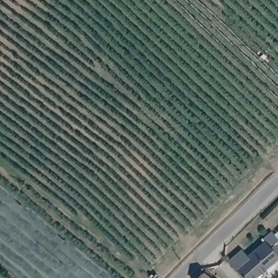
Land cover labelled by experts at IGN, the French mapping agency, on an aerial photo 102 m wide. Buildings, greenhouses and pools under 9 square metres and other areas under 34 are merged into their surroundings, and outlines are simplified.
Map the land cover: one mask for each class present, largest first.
<instances>
[{"label":"deciduous trees","instance_id":"1","mask_svg":"<svg viewBox=\"0 0 278 278\"><path fill-rule=\"evenodd\" d=\"M0 4L35 29L54 47L67 54L94 78L110 87L132 108L141 110L140 106L110 81L78 60L75 55L65 50L3 0H0ZM45 25L51 33L62 39L65 45L83 56L90 64H93L92 60L74 43L16 0H10ZM41 14L51 18L81 47L87 49L106 72L159 117L225 182H228V179L147 101H143L139 93L117 76L100 56L85 46L83 41L58 18L43 11L30 0H24ZM84 35L94 48L108 58L144 93V96L156 104L157 108L184 129L220 167L230 165L231 160L215 146L214 139L235 155L245 169L248 168L245 161L251 155L241 148L236 140L240 139L255 155H258V152L239 135L240 131H243L264 153L268 146L278 148V0H116L241 118V121L237 122L109 0H38ZM0 14L146 127L192 174L215 193L216 197L219 198L220 194L197 170L170 148L153 128L125 108L109 92L79 72L63 56L47 47L0 10ZM0 25L136 129L182 175H185L210 203L213 204L214 201L210 194L157 146L146 132L0 20ZM0 35L62 81L94 109L121 127L202 206L207 208V205L197 192H194L134 132L119 123L86 94L78 91L0 29ZM0 46L111 129L177 190L201 216L203 212L172 179L125 136L119 134L104 119L94 114L86 105L76 100L72 94L39 72L37 67L0 40ZM0 55L115 143L191 217L197 219V216L141 164L124 144L106 134L90 118L63 100L58 93L40 83L0 50ZM0 65L117 155L119 160L156 193L157 197L185 220L188 227L191 222L108 142L0 61ZM0 76L10 81L29 100L39 104L40 108L104 155L181 231L186 228L109 153L0 71ZM0 86L75 142L92 156L93 160L110 170L113 176L147 206L174 235H178L161 214L143 200L113 168L0 80ZM0 97L3 98L5 101H8L11 105H13L15 109L20 110L24 115L28 116L31 119V121L38 124L40 127L49 132V134L52 137H55L56 135L46 125H43L40 121H38V119L35 116L28 113L24 108H22V106L16 104L8 96H5L4 93L0 91ZM0 106L35 131L40 138L52 144L67 159L85 169L156 239L160 236L98 175L94 174L93 170L78 162L75 157L0 101ZM0 115L98 192L156 251L161 249L88 178L0 111ZM0 126L75 182L143 247L144 251L153 258L156 257L134 232L77 179L0 121ZM151 123L162 130L168 140L184 152L188 159L220 189L224 188L164 128L152 121ZM0 137L28 155L30 160L73 191L138 254L142 262L147 265L151 263L84 198V195L0 131ZM66 148L108 179L166 238L170 237L104 170L58 137ZM0 146L66 195L105 237L116 245L119 252L127 255L130 260H134V256L72 195L0 141ZM0 155L59 200L74 215L77 212L60 195L0 151ZM0 278H124L103 261L100 255L88 248L83 240L74 236L59 222H55L43 208L27 197L23 190L17 189L0 173ZM26 188L37 199L45 201L50 210L75 230L83 233L112 261L119 263L130 278H132L135 277L134 269L119 260L87 230L64 215L50 200L27 185Z\"/></svg>","mask_w":278,"mask_h":278},{"label":"herbaceous vegetation","instance_id":"2","mask_svg":"<svg viewBox=\"0 0 278 278\"><path fill-rule=\"evenodd\" d=\"M65 50L75 55L78 60L110 81L140 106L141 110L132 108L110 87L94 78L67 54L54 47L35 29L0 4V10L47 47L63 56L79 72L109 92L125 108L153 128L170 148L197 170L220 194L219 198L216 197L215 193L192 174L146 127L0 14V20L146 132L157 146L210 194L214 201L213 204L210 203L185 175H182L136 129L0 25V29L78 91L86 94L119 123L134 132L194 192H197L207 205V208L202 206L121 127L94 109L62 81L0 35V40L37 67L39 72L72 94L76 100L86 105L94 114L104 119L119 134L125 136L172 179L203 212L201 216L177 190L111 129L0 46V50L40 83L58 93L63 100L90 118L106 134L124 144L141 164L197 216V219L191 217L115 143L0 55V61L108 142L191 222L188 227L185 220L157 197L156 193L119 160L117 155L0 65V71L109 153L186 228L181 231L104 155L40 108L39 104L29 100L10 81L0 76V80L113 168L143 200L161 214L178 235H174L147 206L113 176L110 170L93 160L92 156L75 142L0 86V91L4 93L5 96H8L16 104L22 106V108H24L28 113L35 116L38 119V121H40L43 125H46L56 135L55 137H52L49 134V132L40 127L38 124L31 121V119L28 116L24 115L20 110L15 109L13 105H11L8 101H5L3 98L0 97V101L75 157L78 162L93 170L94 174L98 175L160 236L156 239L85 169L67 159L52 144L40 138L35 131L0 106V111L88 178L161 249L156 251L98 192L0 115V121L77 179L134 232L156 257L153 258L144 251L143 247L75 182L0 126V131L84 195V198L151 263L147 265L142 262L138 254L73 191L30 160L28 155L0 137V141L72 195L134 256V260H130L127 255L119 252L116 245L105 237L66 195L0 146V151L60 195L77 212L74 215L59 200L0 155V173L17 189L23 190L27 197L43 208L55 222H59L74 236L83 240L88 248L100 255L103 261L124 278H130L119 263L112 261L83 233L75 230L50 210L45 201L37 199L26 188L27 185L50 200L64 215L87 230L119 260L134 269L135 277L132 278H164L179 263L178 258H184L197 247V244L235 210L267 174L271 176L278 170V148L268 146L264 153L243 131H240L239 135L258 152V155H255L240 139L236 140L241 148L251 155L245 161L248 168L245 169L235 155L214 139L215 146L231 160L230 165L220 167L184 129L157 108L156 104L144 96V93L108 58L94 48L84 35L38 0H30L43 11L58 18L83 41L85 46L100 56L117 76L139 93L143 101H147L228 179V182H225L159 117L106 72L87 49L81 47L51 18L41 14L24 0H16L74 43L92 60L93 64H90L83 56L65 45L62 39L51 33L45 25L10 0H3ZM152 121L164 128L224 188L220 189L188 159L184 152L168 140L162 130L151 123ZM58 137L104 170L170 237L166 238L108 179L66 148ZM237 122L241 121V118L116 0H109ZM266 232H278V197L226 242L225 253L229 258L235 256L241 248L245 249V254H250L261 244Z\"/></svg>","mask_w":278,"mask_h":278},{"label":"impervious surface","instance_id":"3","mask_svg":"<svg viewBox=\"0 0 278 278\"><path fill-rule=\"evenodd\" d=\"M278 197V170L271 176L228 220V224L214 237L208 238L169 278H241L229 265V258L225 253L226 242Z\"/></svg>","mask_w":278,"mask_h":278},{"label":"building","instance_id":"4","mask_svg":"<svg viewBox=\"0 0 278 278\"><path fill-rule=\"evenodd\" d=\"M229 265L241 278H278V232H266L261 244L250 254H245V249L241 248L235 256L229 258Z\"/></svg>","mask_w":278,"mask_h":278},{"label":"brushwood","instance_id":"5","mask_svg":"<svg viewBox=\"0 0 278 278\"><path fill-rule=\"evenodd\" d=\"M271 176L267 174L235 210L197 244V247L184 258H178L179 263L164 278H169L208 238L214 237L228 224V220Z\"/></svg>","mask_w":278,"mask_h":278}]
</instances>
